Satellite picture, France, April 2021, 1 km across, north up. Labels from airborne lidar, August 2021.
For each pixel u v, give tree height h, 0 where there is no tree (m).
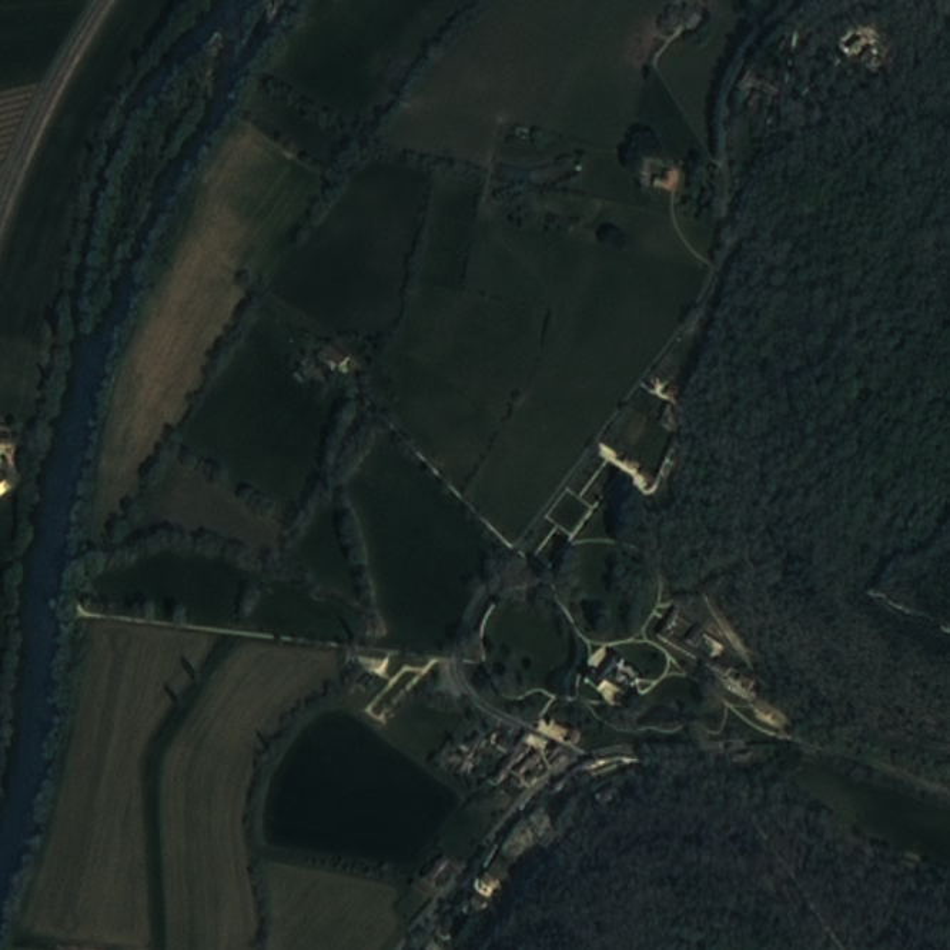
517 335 0
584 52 0
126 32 0
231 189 0
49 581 0
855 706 15
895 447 18
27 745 0
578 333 0
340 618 0
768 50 9
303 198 0
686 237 0
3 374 0
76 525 10
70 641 9
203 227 0
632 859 22
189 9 24
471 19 7
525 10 0
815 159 21
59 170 0
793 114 21
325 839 0
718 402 24
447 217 0
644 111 0
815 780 0
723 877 20
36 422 11
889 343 22
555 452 0
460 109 0
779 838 25
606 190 0
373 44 0
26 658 0
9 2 0
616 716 25
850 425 21
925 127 19
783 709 19
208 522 0
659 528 27
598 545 0
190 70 26
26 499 25
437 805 0
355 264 0
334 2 0
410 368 0
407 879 0
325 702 8
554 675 0
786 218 20
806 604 14
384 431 15
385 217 0
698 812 22
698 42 10
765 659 16
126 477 0
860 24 17
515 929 11
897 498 17
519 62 0
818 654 21
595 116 0
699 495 24
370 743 0
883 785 15
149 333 0
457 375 0
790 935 19
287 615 0
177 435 16
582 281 0
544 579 34
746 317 21
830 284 13
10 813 0
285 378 0
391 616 0
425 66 9
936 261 18
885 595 9
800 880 25
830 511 20
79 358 0
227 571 0
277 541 0
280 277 0
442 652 19
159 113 15
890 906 24
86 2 0
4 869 0
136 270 19
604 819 21
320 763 0
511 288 0
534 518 0
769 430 16
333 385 14
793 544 17
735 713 0
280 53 15
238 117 14
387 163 7
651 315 0
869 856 18
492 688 28
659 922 16
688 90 0
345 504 23
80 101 0
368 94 0
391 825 0
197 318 0
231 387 0
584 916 18
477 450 0
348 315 0
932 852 0
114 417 0
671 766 22
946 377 18
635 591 26
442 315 0
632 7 0
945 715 16
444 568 0
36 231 0
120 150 15
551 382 0
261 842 0
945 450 23
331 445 22
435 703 18
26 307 0
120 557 22
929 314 23
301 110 12
